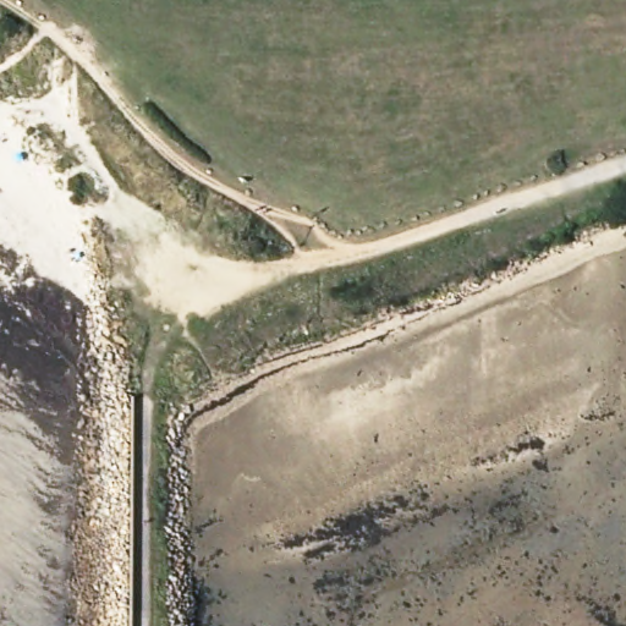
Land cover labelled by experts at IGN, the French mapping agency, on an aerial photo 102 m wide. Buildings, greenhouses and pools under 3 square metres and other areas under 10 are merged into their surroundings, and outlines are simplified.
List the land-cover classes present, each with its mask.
<instances>
[{"label":"bare soil","instance_id":"1","mask_svg":"<svg viewBox=\"0 0 626 626\"><path fill-rule=\"evenodd\" d=\"M54 59L64 64L61 83H66L68 78L78 81V73L86 71L81 61H73L68 51H64L54 39L46 37L17 66L0 73V286L5 291H15L17 286H34L44 279H51L59 286L68 289V293L64 296V311L73 308L81 301L93 289V284H98V289H103L105 293L108 289H130L134 301H144L149 289L134 271V267L139 264V240L127 237V232L120 227H110L103 218H93L90 210L83 205H76L71 201L68 188L64 191L56 186L59 171L78 164L73 147L66 144V132L51 130L49 125H32L27 132H22L12 125L10 108L2 100L49 95V64ZM215 389L196 399V408L208 406L210 413L201 416L188 430V465L193 472V487L203 494L201 506H196L198 516L203 521L215 518V526L203 531V536L193 538L196 565L191 567L183 562V580L179 582V611L183 616L191 611L193 599L203 594V626H626V225L582 230L575 242L553 247L543 252L538 259L514 262L504 271H496L484 281L470 279L462 284H450L447 293H440L438 298H421L396 311L384 308L377 315L367 318L362 330L352 335H342L330 342H311L284 347L279 352H264L257 359V364L245 374H213ZM372 504L391 506L394 511L391 516L377 518V523L384 531L379 545L367 548L362 553H352L345 548L342 538H323L296 548H284V538L318 531L323 528L325 518L357 514L359 509ZM76 340L81 350L76 359L66 367V379L61 384H37L34 379H22L20 369L5 377L7 364H0V626H59L66 604L71 602L76 604V614H86V606H98L100 594L93 587L95 562L105 558V548H110L103 528H90L88 518V509L93 501V477L103 474V467H86V462L100 457L103 433L98 421L86 416V408L100 403L103 369L98 359L90 355L88 313L76 318Z\"/></svg>","mask_w":626,"mask_h":626},{"label":"herbaceous vegetation","instance_id":"2","mask_svg":"<svg viewBox=\"0 0 626 626\"><path fill-rule=\"evenodd\" d=\"M27 10L37 12L46 22H54L56 27L81 24L90 29L95 42V61L117 83L127 100L142 110L147 103H157L174 122H179L186 130L188 137H193L210 152V161L203 164L215 179L232 186L235 191L249 193L257 201H271L276 208L308 215L318 220L328 232L352 245L384 240L403 230L428 225L445 215L462 213L494 196L523 191L528 186H538L558 176L548 161L550 154L560 149L567 152V159L572 161L567 174L584 171L587 166L604 164L616 157H626V0H20ZM81 125L90 144L95 147L100 161L127 196L161 213L164 220H174L181 232H198V252L237 262H271L293 254L291 245L267 220L254 215L242 203L223 196L220 191H213L201 181L191 179L179 166H174L164 154H159L142 137V132H137L132 122L117 110L108 93L98 86V81L86 71L78 73V81ZM93 188L90 176H73L68 181V188L71 201L76 205H83L88 191ZM626 225V174L614 181L594 183L589 188H580L528 208L501 210L492 220H482L381 257L289 276L279 284L249 291L247 296L223 306L218 313L205 318L193 313L186 323H179L174 313L154 308L144 301H134L130 289H108L105 293L103 311L108 318V330H117V335L125 337L127 345L125 359L130 374L125 391L127 396L142 391V399L154 401L152 470H166L171 467V447L166 438V416H179V408L186 399H196L215 389L213 374H245L257 364V359L264 352H279L284 347L311 342H330L342 335H352L362 330L367 318L377 315L384 308L396 311L421 298H438L440 293H447L450 284H462L470 279L484 281L496 271H504L514 262L538 259L543 252L553 247L575 242L582 230ZM289 232H293L301 249H325L323 242L313 237V230L289 220ZM68 293V289L59 286L51 279H44L34 286H17L15 291H5L0 286V364H7L5 377L20 369L22 379H34L37 384H61L66 379V367L76 359L81 350L76 340V318L88 313V306L81 301L73 308L64 311V296ZM394 511L391 506L372 504L359 509L357 514L325 518L323 528L318 531L284 538V548H296L323 538H342L345 548L352 553H362L367 548L379 545L384 531L377 523V518L391 516Z\"/></svg>","mask_w":626,"mask_h":626},{"label":"pervious surface","instance_id":"3","mask_svg":"<svg viewBox=\"0 0 626 626\"><path fill-rule=\"evenodd\" d=\"M0 5L34 24L32 37L15 34L10 39L12 54L5 56V61H0V73L17 66L46 37L54 39L64 51H68L73 61H81L86 71L98 81V86L108 93L117 110L132 122L137 132H142V137L159 154H164L174 166H179L191 179L201 181L213 191H220L223 196L242 203L254 215L267 220L291 245L293 254L271 262H237L198 252V232H181L174 220H164L161 213L127 196L100 161L95 147L90 144L81 125L78 81L68 78L66 83H61L64 64L54 59L49 64V95L2 100L10 108L12 125L22 132H27L32 125H49L51 130L66 132V144L73 147L78 164L59 171L56 186L64 191L68 188V181L73 176H90L93 188L88 191L83 205L90 210L93 218H103L110 227H120L127 232V237L139 240V264L134 267V271L149 289L144 301L154 308L174 313L179 323H186L193 313L205 318L218 313L223 306L247 296L249 291L279 284L289 276L381 257L482 220H492L501 210L528 208L580 188H589L594 183L614 181L626 174V157H616L604 164L587 166L584 171L567 174L558 176L538 186H528L523 191L494 196L462 213L445 215L428 225L403 230L384 240L352 245L328 232L318 220L308 215L276 208L271 201H257L249 193L235 191L232 186L215 179L203 164L188 157L176 142L166 139L159 127H154L147 120L142 110L127 100L117 83L95 61V42L90 29L81 24L56 27L54 22H46L37 12L27 10L20 0H0ZM289 220L313 230V237L323 242L325 249H301L293 232H289Z\"/></svg>","mask_w":626,"mask_h":626},{"label":"impervious surface","instance_id":"4","mask_svg":"<svg viewBox=\"0 0 626 626\"><path fill-rule=\"evenodd\" d=\"M81 301L88 306V313L90 355L98 359L103 369L100 403L86 408V416L98 421L103 433L100 457L86 462V467H103V474L93 477V501L88 509V518L90 528H103L110 548H105V558L95 562L93 587L100 594L98 606H86V614H76V604L71 602L66 604L59 626H186L183 616L179 611V582L183 580V562L191 567L196 565L193 538L203 536V531L215 526V518L203 521L198 516L196 506H201L203 494L193 487V472L188 465V430L201 416L210 413L208 406L196 408V399H186L179 408V416H166V438L171 447V467L166 470L171 509L164 528L157 523L152 526L149 518L152 470L154 401L142 399V391L127 396L125 391L130 374L125 359L127 345L125 337L117 335V330H108V318L103 311L105 293L103 289H98V284H93V289Z\"/></svg>","mask_w":626,"mask_h":626},{"label":"brushwood","instance_id":"5","mask_svg":"<svg viewBox=\"0 0 626 626\"><path fill-rule=\"evenodd\" d=\"M15 34L32 37L34 24L0 5V61H5V56L12 54L10 39ZM147 120L154 127H159L166 139L176 142L188 157L203 164L210 161V152L193 137H188L186 130L179 122H174L157 103H147L142 110ZM558 176L567 174L572 161L567 159V152L560 149L550 154L548 161ZM171 509L166 470H152L149 518L152 526L157 523L164 528Z\"/></svg>","mask_w":626,"mask_h":626},{"label":"water","instance_id":"6","mask_svg":"<svg viewBox=\"0 0 626 626\"><path fill-rule=\"evenodd\" d=\"M203 594L193 599L191 611L183 616L186 626H203Z\"/></svg>","mask_w":626,"mask_h":626}]
</instances>
